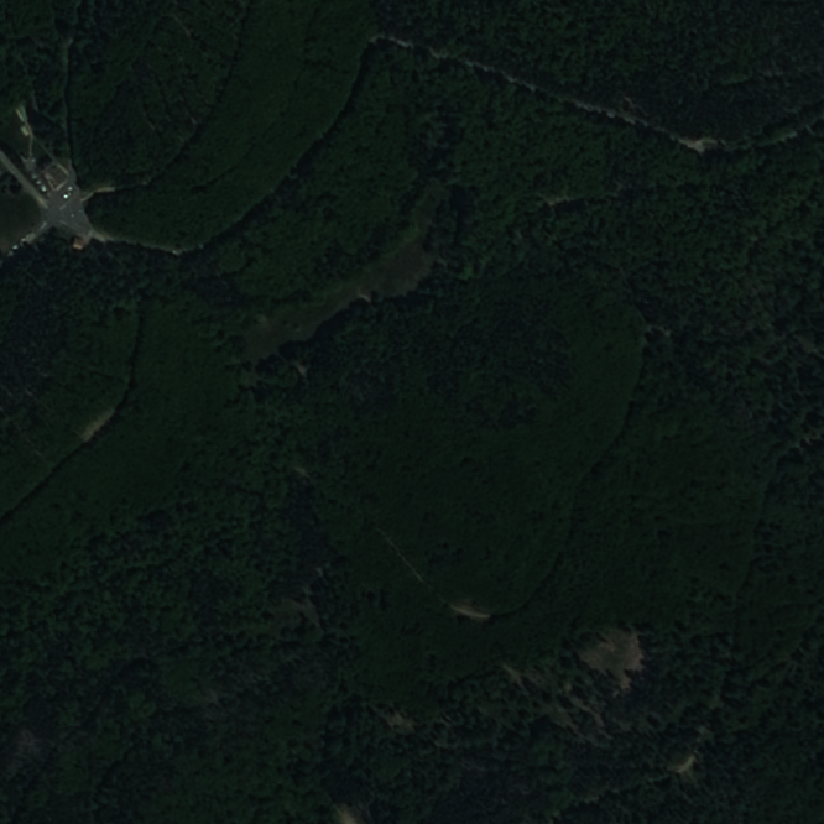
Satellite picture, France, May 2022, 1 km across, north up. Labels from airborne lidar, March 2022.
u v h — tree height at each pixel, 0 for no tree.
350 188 25
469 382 21
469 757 24
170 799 25
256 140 15
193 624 24
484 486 19
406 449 14
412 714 10
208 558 26
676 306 25
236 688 24
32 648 25
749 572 13
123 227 13
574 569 20
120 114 16
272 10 15
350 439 21
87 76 16
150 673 28
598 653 0
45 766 25
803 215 33
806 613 18
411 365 17
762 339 29
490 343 20
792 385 32
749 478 19
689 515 18
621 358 22
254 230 25
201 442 18
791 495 22
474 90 28
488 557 18
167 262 25
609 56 26
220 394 16
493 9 24
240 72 16
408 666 17
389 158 24
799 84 25
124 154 18
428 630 18
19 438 14
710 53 22
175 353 16
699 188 30
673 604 20
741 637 17
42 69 24
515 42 22
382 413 20
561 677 28
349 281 18
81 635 27
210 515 25
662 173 27
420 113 21
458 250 25
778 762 22
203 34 18
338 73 20
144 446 15
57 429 14
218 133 15
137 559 26
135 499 19
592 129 26
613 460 23
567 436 22
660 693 27
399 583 13
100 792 26
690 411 17
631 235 26
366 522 16
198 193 16
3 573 13
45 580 21
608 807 6
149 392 19
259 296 25
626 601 21
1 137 0
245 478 28
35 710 29
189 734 25
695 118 26
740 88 23
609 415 19
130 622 27
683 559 15
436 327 25
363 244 22
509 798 26
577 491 18
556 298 21
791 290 25
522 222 26
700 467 16
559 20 28
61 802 22
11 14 18
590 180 27
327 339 27
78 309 19
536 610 18
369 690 18
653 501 17
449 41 18
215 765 21
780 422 33
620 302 24
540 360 19
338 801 21
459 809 26
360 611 23
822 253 30
